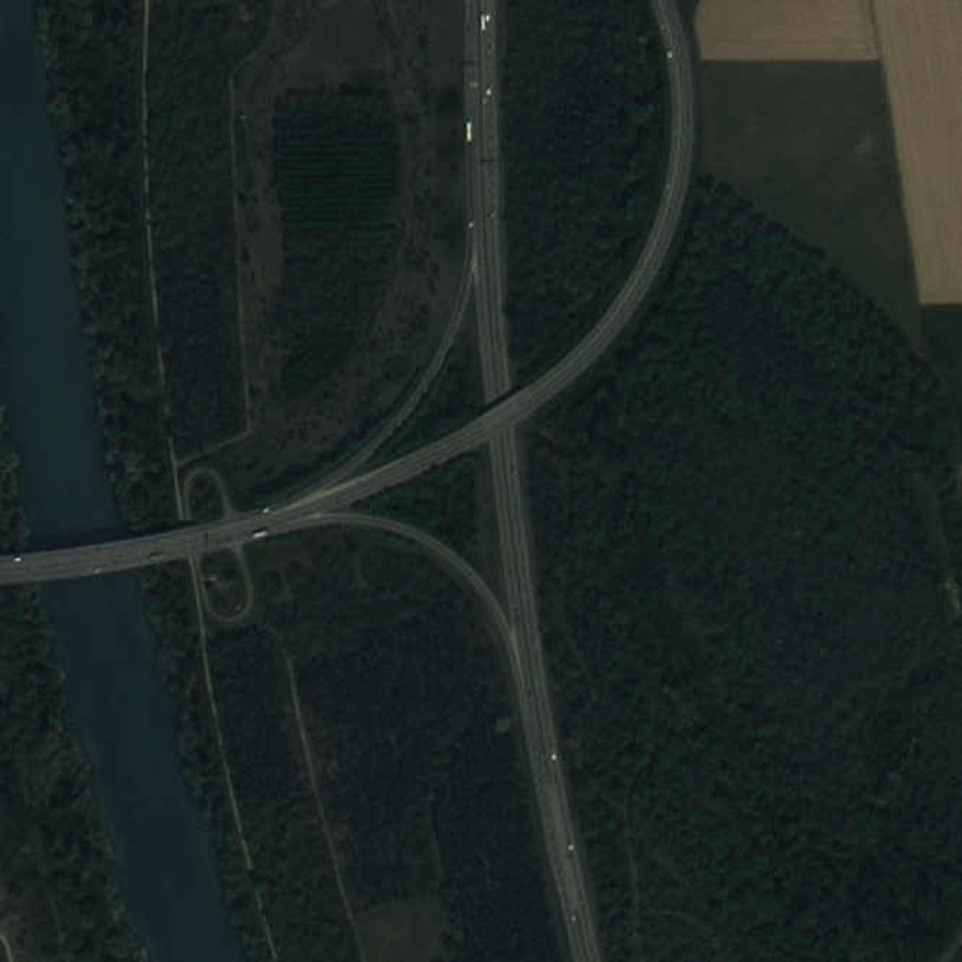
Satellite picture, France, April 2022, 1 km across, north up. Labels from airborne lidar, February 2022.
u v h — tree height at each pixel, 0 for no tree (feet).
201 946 0
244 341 0
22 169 0
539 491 45
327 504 0
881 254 0
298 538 38
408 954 0
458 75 0
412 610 58
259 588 0
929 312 0
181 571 53
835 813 68
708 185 51
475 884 55
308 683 59
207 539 0
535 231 42
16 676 53
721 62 0
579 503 53
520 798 54
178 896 0
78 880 26
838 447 59
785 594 67
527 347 55
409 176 0
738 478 59
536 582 0
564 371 0
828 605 43
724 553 67
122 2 0
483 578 0
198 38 52
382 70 0
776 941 42
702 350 67
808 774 55
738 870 86
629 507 49
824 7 0
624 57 73
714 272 81
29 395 0
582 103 36
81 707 0
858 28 0
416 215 0
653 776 52
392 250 28
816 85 0
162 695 0
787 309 61
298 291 0
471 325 0
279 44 0
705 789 87
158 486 85
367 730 49
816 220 0
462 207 0
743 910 52
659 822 33
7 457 67
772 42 0
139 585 24
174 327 44
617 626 62
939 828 56
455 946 60
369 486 0
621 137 68
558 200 46
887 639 45
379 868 47
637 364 100
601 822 30
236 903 41
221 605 24
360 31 0
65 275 0
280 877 52
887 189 0
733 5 0
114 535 0
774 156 0
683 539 78
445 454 0
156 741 0
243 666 33
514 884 49
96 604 0
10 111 0
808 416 46
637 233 22
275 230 0
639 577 69
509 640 0
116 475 43
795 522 52
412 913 0
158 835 0
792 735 65
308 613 36
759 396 56
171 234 49
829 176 0
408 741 50
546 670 0
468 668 48
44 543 0
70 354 0
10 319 0
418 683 54
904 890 117
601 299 33
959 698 61
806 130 0
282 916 27
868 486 61
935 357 0
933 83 0
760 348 72
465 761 52
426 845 18
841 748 39
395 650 48
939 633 48
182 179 53
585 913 0
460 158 0
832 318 52
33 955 0
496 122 0
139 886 0
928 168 0
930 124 0
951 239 0
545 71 38
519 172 25
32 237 0
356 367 0
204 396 50
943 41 0
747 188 0
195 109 55
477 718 43
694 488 67
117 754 0
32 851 53
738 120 0
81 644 0
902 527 37
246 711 49
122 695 0
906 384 56
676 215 0
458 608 53
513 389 0
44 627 45
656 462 67
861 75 0
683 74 0
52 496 0
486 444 0
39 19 38
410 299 0
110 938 35
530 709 0
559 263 44
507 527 0
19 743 42
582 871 0
